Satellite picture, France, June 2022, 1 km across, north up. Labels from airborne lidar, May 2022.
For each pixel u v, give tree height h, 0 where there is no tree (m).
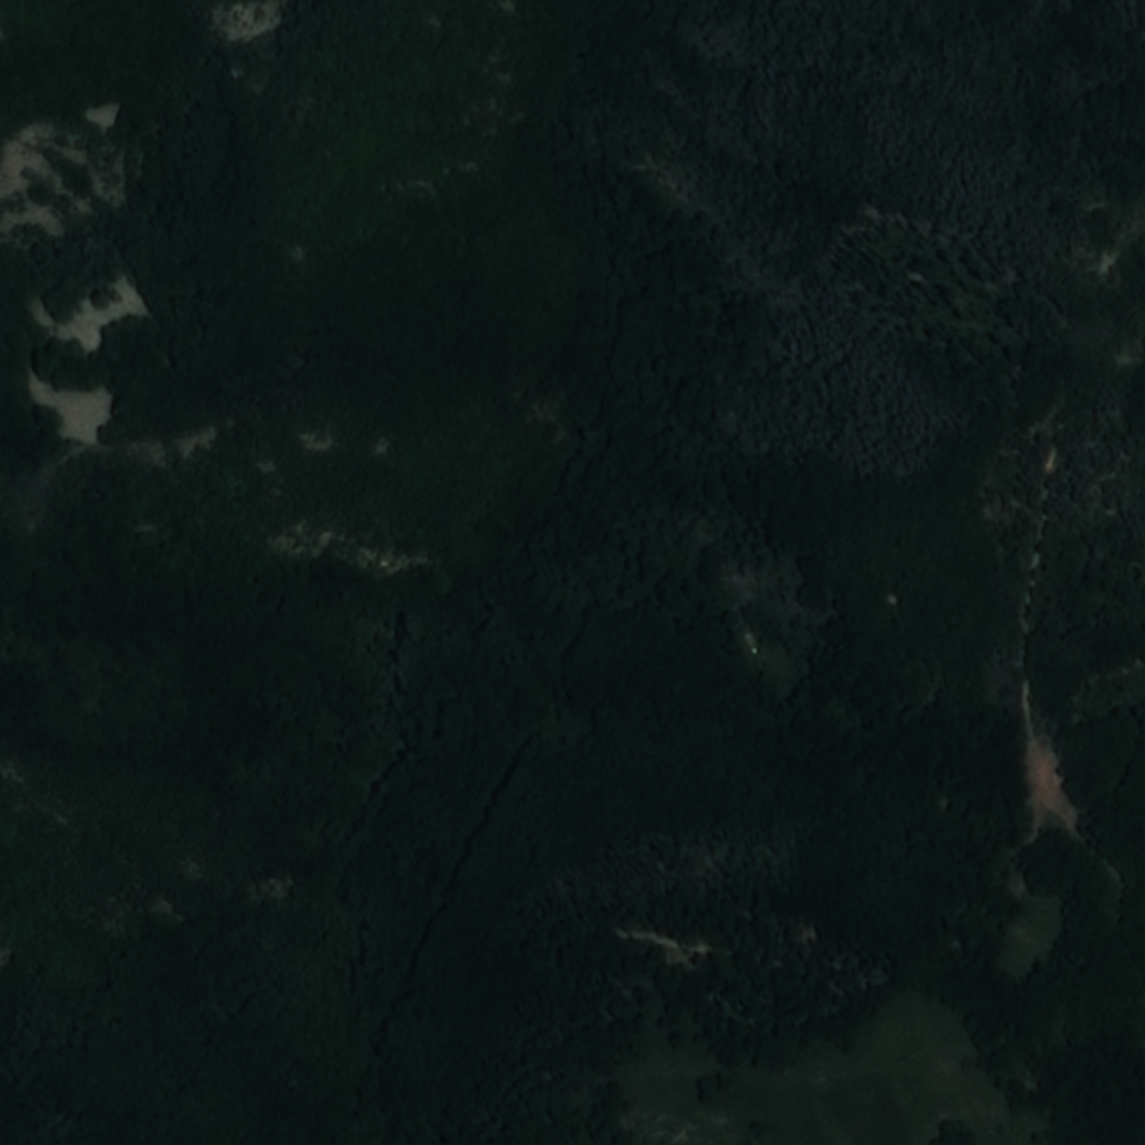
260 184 19
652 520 9
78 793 18
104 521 18
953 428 12
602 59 17
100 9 19
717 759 24
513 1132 19
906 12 13
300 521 11
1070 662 13
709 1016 14
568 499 21
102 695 8
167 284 18
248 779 11
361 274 23
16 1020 21
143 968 20
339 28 15
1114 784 21
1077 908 17
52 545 11
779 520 20
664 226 15
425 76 8
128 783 16
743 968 11
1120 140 15
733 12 7
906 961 16
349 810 22
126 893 19
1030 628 9
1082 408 8
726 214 9
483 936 16
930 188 12
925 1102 0
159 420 14
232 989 20
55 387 12
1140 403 22
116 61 20
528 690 21
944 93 19
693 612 10
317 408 13
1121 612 16
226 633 27
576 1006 13
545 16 17
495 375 24
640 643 24
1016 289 13
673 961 19
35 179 6
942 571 14
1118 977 19
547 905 21
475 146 15
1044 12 16
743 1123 0
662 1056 0
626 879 21
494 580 24
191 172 16
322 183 10
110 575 22
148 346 20
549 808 21
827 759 23
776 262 9
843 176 20
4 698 18
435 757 35
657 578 20
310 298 17
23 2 15
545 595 20
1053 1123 9
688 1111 0
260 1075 23
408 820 22
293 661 22
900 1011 0
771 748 27
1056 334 8
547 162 21
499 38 14
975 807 10
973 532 11
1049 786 0
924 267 25
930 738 25
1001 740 13
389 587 17
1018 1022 16
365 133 10
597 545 14
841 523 21
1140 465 11
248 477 12
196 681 17
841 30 8
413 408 21
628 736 21
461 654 30
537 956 22
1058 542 11
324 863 24
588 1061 11
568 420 14
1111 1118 18
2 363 22
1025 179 9
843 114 19
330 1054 7
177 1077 21
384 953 20
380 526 9
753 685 10
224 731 27
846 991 11
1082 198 8
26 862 14
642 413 19
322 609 27
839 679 24
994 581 13
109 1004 19
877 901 12
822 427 9
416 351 21
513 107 10
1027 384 7
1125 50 19
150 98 16
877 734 28
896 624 12
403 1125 19
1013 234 13
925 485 15
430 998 20
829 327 17
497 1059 20
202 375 19
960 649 12
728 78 8
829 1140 0
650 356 16
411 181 8
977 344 12
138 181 12
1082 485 20
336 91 18
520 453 14
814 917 20
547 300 21
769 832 20
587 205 19
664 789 26
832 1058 0
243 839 17
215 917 19
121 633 23
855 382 16
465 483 17
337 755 11
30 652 9
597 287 22
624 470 22
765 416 8
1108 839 16
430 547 12
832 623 10
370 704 24
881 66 9
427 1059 16
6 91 23
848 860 12
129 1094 19
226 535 18
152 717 13
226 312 24
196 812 18
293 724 13
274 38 12
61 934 17
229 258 27
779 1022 14
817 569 18
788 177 14
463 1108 22
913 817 19
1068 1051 13
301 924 25
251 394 17
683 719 18
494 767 32
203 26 14
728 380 15
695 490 9
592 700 24
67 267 13
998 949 11
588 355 26
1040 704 9
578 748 10
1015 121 17
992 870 12
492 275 23
